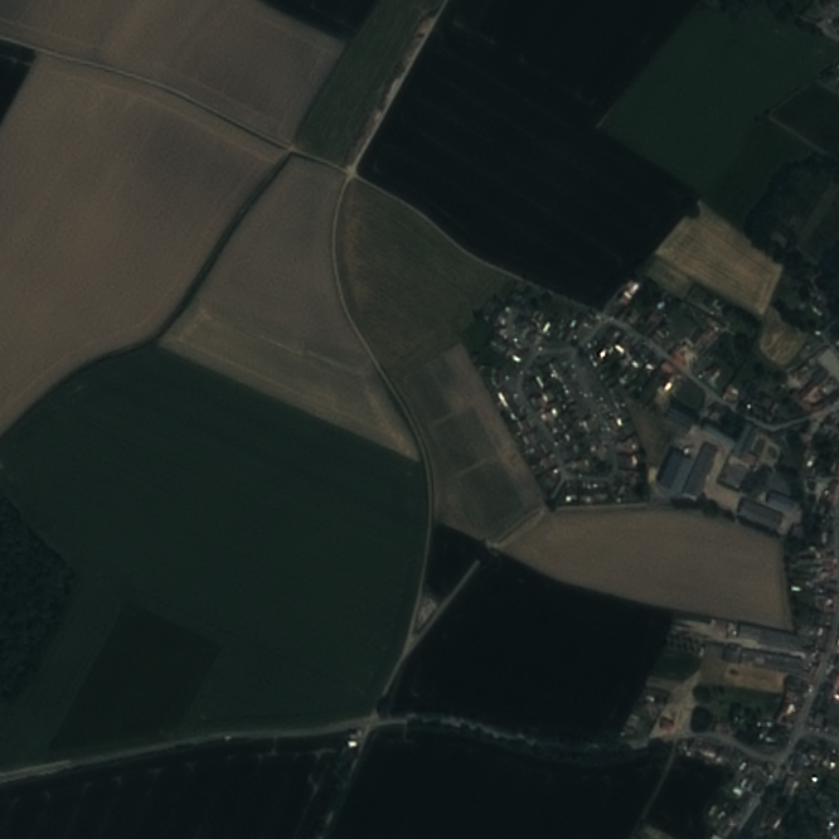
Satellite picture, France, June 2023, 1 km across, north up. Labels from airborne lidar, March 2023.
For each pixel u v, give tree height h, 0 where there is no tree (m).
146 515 0
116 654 0
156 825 0
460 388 0
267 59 0
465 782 0
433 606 0
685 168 0
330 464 0
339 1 0
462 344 0
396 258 0
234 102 0
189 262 0
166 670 0
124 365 0
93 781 0
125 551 0
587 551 0
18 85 0
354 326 0
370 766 0
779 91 0
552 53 0
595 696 0
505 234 0
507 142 0
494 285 0
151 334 0
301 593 0
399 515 0
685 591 0
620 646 0
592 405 0
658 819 0
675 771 0
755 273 0
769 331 0
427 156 0
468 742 0
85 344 0
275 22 0
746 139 0
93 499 0
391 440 0
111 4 0
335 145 0
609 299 0
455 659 0
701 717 12
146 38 0
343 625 0
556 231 0
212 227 0
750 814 0
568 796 0
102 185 0
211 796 0
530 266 0
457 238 0
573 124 0
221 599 0
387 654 0
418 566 0
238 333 0
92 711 0
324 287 0
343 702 0
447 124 0
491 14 0
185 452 0
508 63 0
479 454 0
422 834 0
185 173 0
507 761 0
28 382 0
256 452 0
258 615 0
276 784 0
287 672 0
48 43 0
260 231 0
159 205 0
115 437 0
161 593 0
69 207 0
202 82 0
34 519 0
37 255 0
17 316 0
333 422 0
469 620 0
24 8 0
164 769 0
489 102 0
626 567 0
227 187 0
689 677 0
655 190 0
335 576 0
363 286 0
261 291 0
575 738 15
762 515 0
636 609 0
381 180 0
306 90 0
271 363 0
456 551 0
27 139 0
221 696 0
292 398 0
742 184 0
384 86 0
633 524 0
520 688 0
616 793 0
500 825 0
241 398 0
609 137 0
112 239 0
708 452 0
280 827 0
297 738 0
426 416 0
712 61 0
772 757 0
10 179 0
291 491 0
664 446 0
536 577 0
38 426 0
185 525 0
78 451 0
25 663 29
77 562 0
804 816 22
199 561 0
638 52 0
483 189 0
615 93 0
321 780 0
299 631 0
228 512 0
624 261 0
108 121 0
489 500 0
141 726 0
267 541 0
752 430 0
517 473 0
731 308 8
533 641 0
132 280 0
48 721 0
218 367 0
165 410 0
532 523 0
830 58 0
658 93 0
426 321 0
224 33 0
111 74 0
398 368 0
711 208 0
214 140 0
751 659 0
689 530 0
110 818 0
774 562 0
